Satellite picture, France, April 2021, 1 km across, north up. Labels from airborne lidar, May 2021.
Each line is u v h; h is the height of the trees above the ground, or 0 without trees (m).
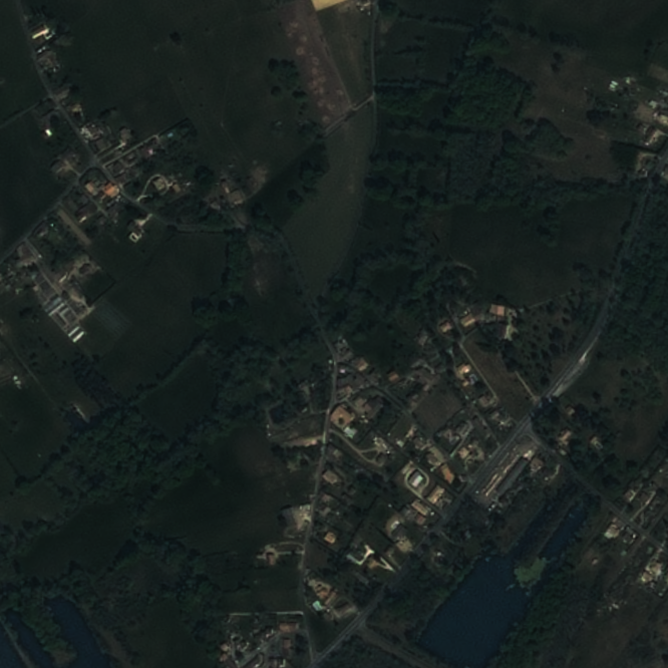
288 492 0
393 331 9
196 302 0
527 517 15
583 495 20
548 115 0
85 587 18
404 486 0
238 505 0
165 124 0
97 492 23
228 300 0
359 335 21
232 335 0
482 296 0
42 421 0
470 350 0
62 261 12
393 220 0
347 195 0
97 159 0
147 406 0
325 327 15
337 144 0
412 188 22
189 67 0
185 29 0
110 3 0
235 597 0
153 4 0
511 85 21
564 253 0
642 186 6
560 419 18
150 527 0
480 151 12
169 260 0
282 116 0
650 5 0
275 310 0
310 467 10
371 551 0
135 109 0
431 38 0
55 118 11
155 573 0
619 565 0
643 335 16
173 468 17
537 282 0
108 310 0
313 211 0
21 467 0
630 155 7
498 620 0
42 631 12
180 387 0
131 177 8
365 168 0
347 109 0
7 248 0
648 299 17
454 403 0
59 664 0
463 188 17
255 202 0
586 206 0
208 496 0
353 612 0
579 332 8
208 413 0
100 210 0
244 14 0
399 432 0
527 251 0
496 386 0
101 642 12
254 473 0
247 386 20
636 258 14
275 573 0
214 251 0
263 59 0
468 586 0
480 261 0
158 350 0
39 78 0
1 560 25
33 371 10
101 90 0
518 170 12
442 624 0
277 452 11
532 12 0
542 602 23
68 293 6
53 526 10
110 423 20
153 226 0
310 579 0
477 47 16
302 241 0
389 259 15
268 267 0
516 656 18
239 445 0
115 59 0
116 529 0
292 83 12
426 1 0
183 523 0
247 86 0
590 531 16
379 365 0
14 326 0
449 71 0
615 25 0
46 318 0
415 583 18
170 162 10
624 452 0
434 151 0
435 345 9
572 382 0
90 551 0
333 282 10
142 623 14
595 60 0
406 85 9
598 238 0
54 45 7
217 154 0
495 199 15
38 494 0
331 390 9
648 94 0
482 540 12
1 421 0
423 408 0
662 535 10
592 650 0
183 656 0
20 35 0
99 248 0
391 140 0
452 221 0
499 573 0
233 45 0
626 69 0
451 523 6
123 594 7
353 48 0
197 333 0
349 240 0
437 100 0
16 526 0
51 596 9
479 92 19
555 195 15
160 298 0
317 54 0
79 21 0
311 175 18
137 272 0
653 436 0
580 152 0
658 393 13
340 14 0
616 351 14
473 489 0
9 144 0
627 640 0
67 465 15
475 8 0
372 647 7
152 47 0
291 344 15
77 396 0
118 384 0
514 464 0
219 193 0
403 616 12
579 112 0
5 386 0
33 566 0
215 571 8
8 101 0
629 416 0
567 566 15
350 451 0
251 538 0
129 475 25
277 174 0
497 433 14
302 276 10
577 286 0
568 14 0
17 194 0
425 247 17
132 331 0
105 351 0
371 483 13
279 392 10
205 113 0
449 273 11
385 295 0
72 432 6
